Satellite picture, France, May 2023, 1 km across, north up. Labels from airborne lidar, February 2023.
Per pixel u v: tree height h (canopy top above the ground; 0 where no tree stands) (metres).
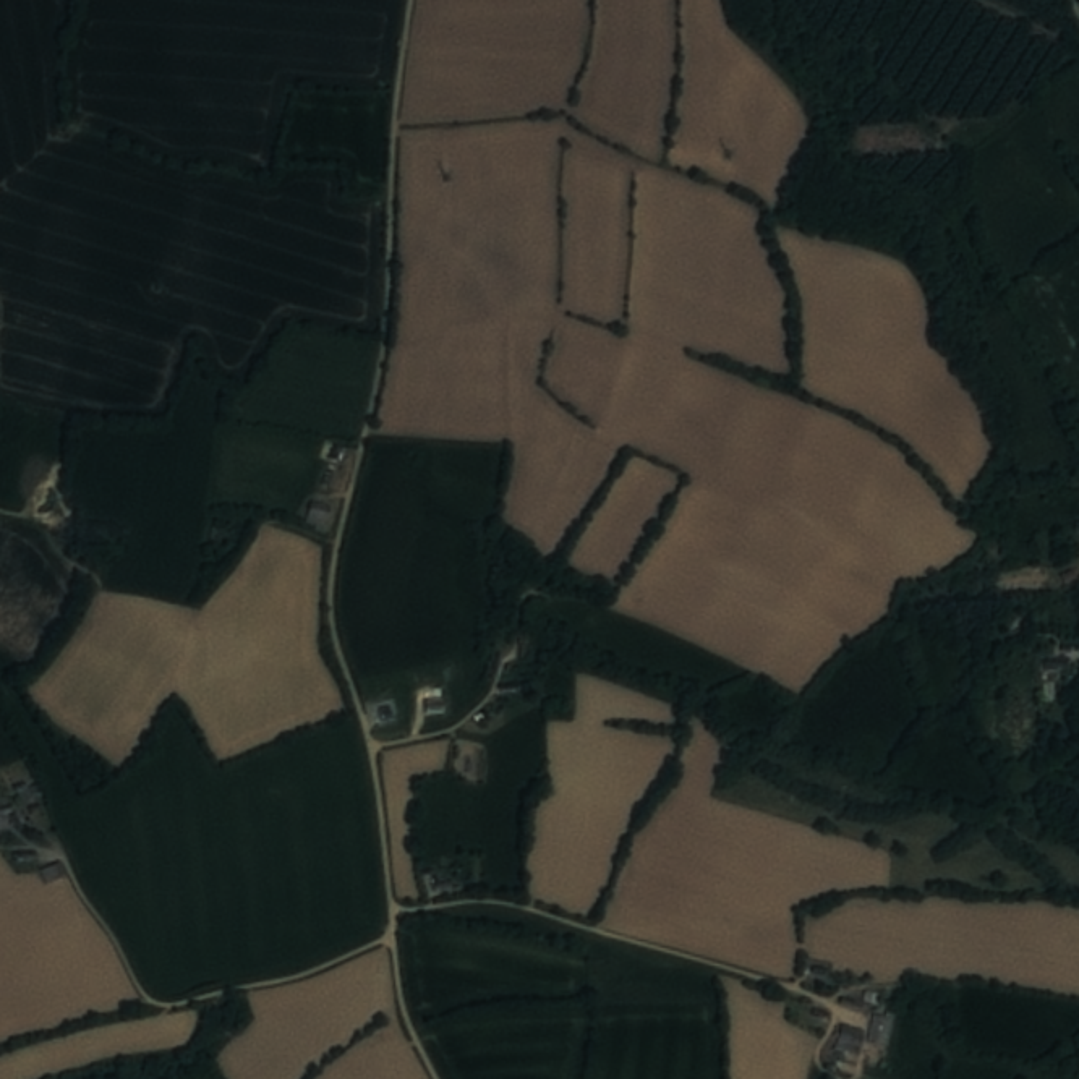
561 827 0
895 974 0
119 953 0
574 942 12
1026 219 0
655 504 0
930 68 13
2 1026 0
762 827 0
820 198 12
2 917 0
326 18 0
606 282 0
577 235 0
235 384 13
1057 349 0
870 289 0
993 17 11
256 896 0
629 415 0
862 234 15
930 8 13
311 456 0
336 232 0
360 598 0
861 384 0
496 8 0
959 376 17
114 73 0
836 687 0
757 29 9
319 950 0
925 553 0
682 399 0
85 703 0
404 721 0
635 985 0
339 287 0
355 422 0
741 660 0
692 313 0
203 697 0
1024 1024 0
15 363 0
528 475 0
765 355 0
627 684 7
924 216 14
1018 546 8
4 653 0
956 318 22
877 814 16
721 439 0
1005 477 10
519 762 0
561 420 0
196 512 0
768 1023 0
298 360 0
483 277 0
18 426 0
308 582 0
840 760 15
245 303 0
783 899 0
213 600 0
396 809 0
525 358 0
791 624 0
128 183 0
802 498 0
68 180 0
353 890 0
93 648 0
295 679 0
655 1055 0
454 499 0
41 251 0
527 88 0
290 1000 0
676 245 0
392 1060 0
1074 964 0
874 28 14
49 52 0
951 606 18
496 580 13
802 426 0
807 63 12
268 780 0
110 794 0
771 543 0
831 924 0
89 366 0
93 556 7
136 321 0
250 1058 0
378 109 0
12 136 0
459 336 0
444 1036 0
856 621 0
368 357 0
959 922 0
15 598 0
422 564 0
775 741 11
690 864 0
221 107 0
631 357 0
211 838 0
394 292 7
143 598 0
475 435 0
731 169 0
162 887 0
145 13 0
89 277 0
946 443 0
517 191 0
